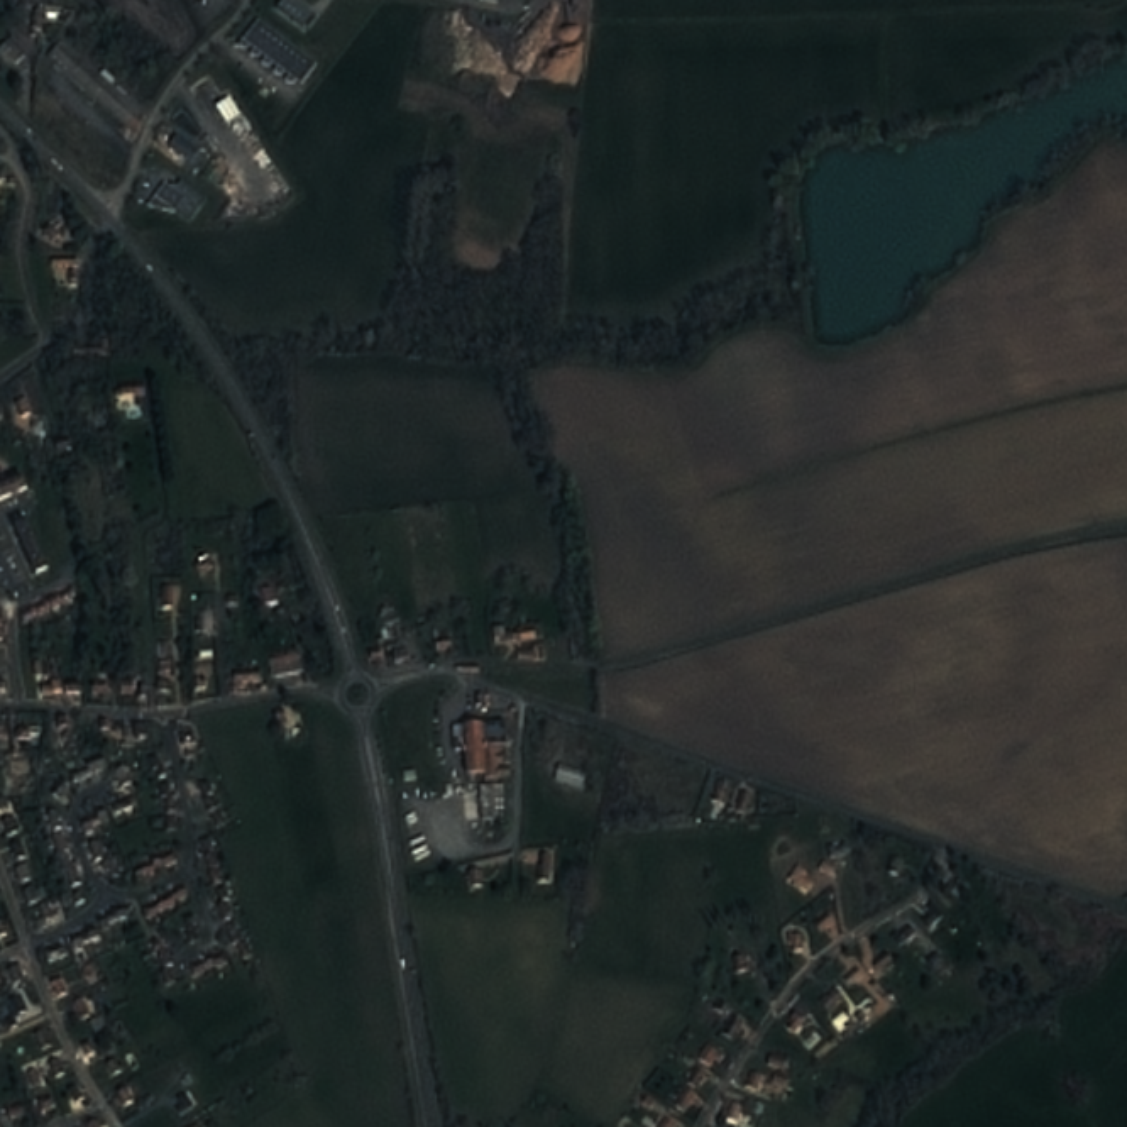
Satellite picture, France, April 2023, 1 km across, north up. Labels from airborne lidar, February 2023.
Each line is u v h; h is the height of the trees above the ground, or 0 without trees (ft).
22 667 0
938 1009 0
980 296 0
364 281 0
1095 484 0
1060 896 37
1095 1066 0
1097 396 0
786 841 0
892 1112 47
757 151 0
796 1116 0
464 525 0
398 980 0
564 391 0
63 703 0
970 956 0
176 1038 0
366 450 0
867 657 0
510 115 0
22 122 0
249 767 0
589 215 0
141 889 28
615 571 0
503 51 0
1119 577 0
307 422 0
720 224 0
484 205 0
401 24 0
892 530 0
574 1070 0
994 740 0
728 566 0
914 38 0
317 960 0
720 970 30
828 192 0
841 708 0
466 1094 0
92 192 0
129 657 43
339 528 0
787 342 0
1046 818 0
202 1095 0
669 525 0
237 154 0
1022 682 0
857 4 0
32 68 0
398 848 0
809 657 0
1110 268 0
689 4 0
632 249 0
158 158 0
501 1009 0
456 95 0
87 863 0
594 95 0
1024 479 0
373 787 0
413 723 0
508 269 47
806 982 0
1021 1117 0
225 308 0
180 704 0
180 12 0
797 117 0
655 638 0
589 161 0
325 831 0
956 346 0
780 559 0
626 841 0
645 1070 0
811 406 0
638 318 0
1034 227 0
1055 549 0
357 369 0
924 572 0
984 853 0
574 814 0
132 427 0
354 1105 0
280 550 38
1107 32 0
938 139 0
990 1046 22
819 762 0
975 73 0
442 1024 0
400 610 0
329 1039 0
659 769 0
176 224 0
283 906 0
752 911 49
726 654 0
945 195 0
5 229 57
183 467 0
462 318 85
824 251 0
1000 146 0
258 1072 0
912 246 0
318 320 0
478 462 0
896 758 0
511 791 0
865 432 0
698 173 0
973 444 0
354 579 0
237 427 0
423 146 0
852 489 0
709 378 0
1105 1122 0
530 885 43
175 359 45
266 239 0
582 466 0
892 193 0
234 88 0
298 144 0
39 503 0
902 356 0
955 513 0
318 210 0
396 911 0
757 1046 0
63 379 44
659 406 0
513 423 51
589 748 0
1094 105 0
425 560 0
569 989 0
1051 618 0
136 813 22
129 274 51
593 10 0
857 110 0
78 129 0
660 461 0
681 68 0
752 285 57
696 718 0
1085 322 0
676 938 0
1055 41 0
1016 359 0
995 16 0
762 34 0
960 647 0
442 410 0
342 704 0
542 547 0
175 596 0
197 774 21
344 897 0
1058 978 25
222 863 35
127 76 22
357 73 0
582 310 0
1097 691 0
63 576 0
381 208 0
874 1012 0
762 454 0
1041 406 0
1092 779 0
